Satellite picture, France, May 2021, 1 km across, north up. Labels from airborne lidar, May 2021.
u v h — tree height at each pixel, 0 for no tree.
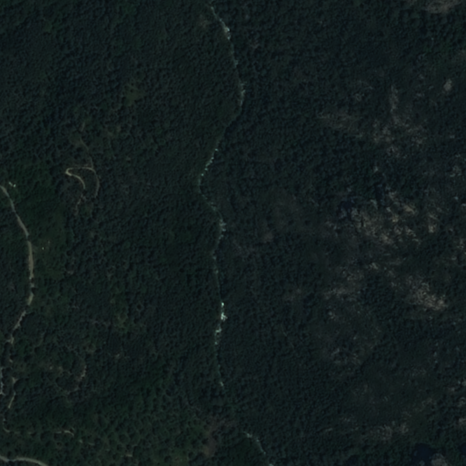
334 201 19
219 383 20
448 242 16
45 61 24
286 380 12
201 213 24
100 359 23
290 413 9
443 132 15
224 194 8
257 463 14
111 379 21
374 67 13
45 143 23
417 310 22
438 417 6
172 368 25
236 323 8
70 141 18
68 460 22
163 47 20
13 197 11
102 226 21
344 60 24
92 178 6
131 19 28
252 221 10
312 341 15
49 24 18
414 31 12
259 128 28
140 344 11
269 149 33
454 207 8
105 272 18
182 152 23
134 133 26
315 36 28
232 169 7
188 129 23
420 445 13
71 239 16
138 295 22
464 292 10
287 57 32
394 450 20
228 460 28
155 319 6
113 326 13
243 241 7
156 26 27
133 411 20
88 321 19
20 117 8
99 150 14
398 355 13
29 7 21
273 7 23
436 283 12
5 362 25
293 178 25
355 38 13
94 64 20
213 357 28
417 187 6
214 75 19
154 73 21
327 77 22
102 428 16
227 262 29
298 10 29
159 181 22
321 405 24
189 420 25
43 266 19
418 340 15
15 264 8
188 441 11
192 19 22
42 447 8
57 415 18
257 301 26
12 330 18
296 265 12
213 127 20
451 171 11
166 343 24
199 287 23
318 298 21
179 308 11
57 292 19
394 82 8
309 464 24
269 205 6
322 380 14
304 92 28
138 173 28
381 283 16
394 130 6
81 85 17
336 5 13
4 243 7
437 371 15
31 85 21
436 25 24
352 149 22
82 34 29
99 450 20
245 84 16
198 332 19
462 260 22
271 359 22
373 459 13
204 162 15
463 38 16
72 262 17
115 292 11
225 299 28
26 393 22
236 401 31
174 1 24
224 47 8
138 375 18
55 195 10
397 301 15
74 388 17
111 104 20
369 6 22
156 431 18
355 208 17
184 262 26
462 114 7
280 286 18
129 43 24
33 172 12
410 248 6
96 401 20
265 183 26
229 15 26
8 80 21
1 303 19
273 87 29
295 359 15
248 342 15
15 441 7
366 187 11
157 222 24
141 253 17
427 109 8
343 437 10
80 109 8
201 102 21
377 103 9
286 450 8
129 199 20
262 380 13
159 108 18
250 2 22
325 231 0
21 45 18
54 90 14
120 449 14
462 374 14
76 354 29
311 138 11
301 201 18
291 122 17
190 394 25
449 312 12
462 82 6
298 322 24
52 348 18
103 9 27
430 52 10
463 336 6
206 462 35
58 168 17
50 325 16
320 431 19
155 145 18
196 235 12
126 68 26
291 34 30
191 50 21
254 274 25
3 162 17
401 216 15
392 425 12
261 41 30
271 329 26
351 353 7
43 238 12
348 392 10
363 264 18
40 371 8
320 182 11
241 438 27
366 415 6
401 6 19
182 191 16
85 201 18
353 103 15
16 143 22
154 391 21
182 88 9
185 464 0
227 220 17
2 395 14
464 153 8
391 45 7
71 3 27
